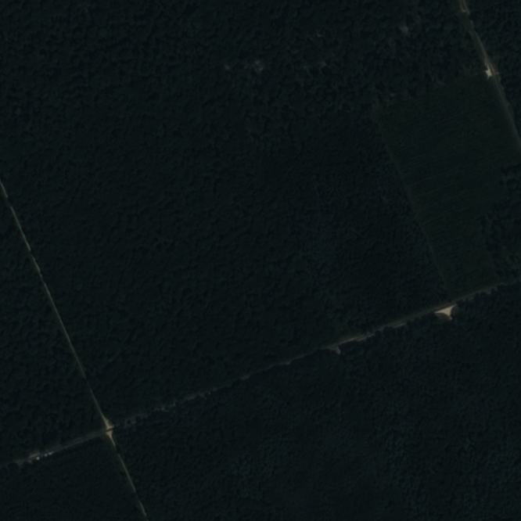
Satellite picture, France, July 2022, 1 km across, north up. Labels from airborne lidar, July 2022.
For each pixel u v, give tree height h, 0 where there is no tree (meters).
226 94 26
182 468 25
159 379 22
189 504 22
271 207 28
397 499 24
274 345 29
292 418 25
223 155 24
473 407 23
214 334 28
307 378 22
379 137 18
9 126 24
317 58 27
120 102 27
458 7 0
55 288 21
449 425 22
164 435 23
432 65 26
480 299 20
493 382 24
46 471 15
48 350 24
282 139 28
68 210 21
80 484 15
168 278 24
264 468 27
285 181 25
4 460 21
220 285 24
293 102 27
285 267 25
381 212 26
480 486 21
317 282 16
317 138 26
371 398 22
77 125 25
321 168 23
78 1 26
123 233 21
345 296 21
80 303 21
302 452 24
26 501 17
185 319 23
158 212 21
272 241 27
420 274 19
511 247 26
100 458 17
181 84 21
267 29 26
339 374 27
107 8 25
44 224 23
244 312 24
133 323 24
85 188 22
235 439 27
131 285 22
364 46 29
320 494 24
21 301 24
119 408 23
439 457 23
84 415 26
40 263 20
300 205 22
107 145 23
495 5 11
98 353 20
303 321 24
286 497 21
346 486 24
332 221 16
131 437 22
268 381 23
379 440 20
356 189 21
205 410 20
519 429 20
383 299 25
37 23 26
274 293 25
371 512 24
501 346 23
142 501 19
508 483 24
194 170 22
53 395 29
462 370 21
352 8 26
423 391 15
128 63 27
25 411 26
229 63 20
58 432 28
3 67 27
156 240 12
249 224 22
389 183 23
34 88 26
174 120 22
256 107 24
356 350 26
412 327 23
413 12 24
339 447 25
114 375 22
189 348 24
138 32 28
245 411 23
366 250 20
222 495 20
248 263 22
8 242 22
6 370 22
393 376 25
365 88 28
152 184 28
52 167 23
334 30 30
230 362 27
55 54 26
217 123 29
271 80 28
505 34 21
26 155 21
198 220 24
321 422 25
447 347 22
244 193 25
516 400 21
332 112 29
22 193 23
